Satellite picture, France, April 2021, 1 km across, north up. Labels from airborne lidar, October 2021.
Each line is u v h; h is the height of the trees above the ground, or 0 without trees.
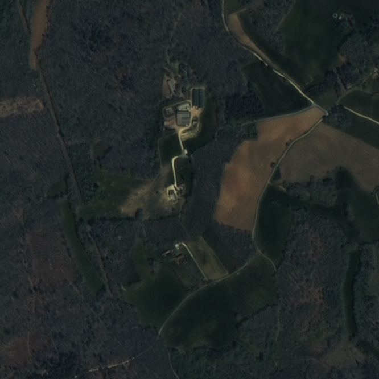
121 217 0
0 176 22
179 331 0
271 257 0
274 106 0
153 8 15
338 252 13
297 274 15
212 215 24
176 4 15
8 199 17
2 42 17
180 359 17
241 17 0
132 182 0
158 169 15
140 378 17
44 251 0
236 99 20
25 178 15
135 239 19
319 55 0
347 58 15
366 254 13
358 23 0
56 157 22
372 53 25
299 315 9
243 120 17
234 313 0
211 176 19
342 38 0
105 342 12
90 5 19
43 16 0
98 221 12
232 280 0
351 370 11
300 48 0
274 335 13
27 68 16
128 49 19
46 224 12
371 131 0
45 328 17
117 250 9
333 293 14
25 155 20
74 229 0
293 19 0
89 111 17
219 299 0
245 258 12
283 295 11
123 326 18
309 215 7
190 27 12
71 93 14
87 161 9
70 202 16
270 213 0
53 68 14
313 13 0
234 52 21
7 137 18
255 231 0
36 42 0
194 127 0
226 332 0
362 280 16
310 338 10
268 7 17
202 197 22
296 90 0
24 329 11
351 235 0
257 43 0
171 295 0
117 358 12
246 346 0
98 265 14
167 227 13
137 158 19
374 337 17
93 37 7
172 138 0
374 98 9
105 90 18
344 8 0
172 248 11
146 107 20
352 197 0
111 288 22
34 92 17
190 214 19
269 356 17
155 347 19
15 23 18
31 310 7
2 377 8
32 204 28
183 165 0
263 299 0
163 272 0
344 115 19
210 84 18
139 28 19
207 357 19
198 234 24
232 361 20
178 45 9
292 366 11
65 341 21
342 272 14
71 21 15
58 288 15
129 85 22
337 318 14
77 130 19
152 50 14
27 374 11
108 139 20
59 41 16
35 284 8
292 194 14
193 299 0
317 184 13
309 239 17
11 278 11
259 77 0
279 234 0
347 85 22
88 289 14
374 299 12
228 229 13
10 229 11
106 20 20
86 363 9
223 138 18
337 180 0
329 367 0
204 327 0
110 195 0
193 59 14
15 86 19
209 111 0
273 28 17
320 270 13
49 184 19
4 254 9
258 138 11
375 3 0
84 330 10
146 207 0
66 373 19
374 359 17
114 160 18
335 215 0
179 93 13
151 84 19
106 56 8
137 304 0
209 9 10
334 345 12
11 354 6
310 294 7
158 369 19
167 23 19
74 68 18
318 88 9
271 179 0
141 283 16
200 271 6
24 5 11
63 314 8
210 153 19
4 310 16
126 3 21
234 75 20
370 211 0
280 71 0
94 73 15
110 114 20
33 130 19
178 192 6
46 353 12
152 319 0
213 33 23
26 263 11
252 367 11
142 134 12
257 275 0
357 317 21
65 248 19
